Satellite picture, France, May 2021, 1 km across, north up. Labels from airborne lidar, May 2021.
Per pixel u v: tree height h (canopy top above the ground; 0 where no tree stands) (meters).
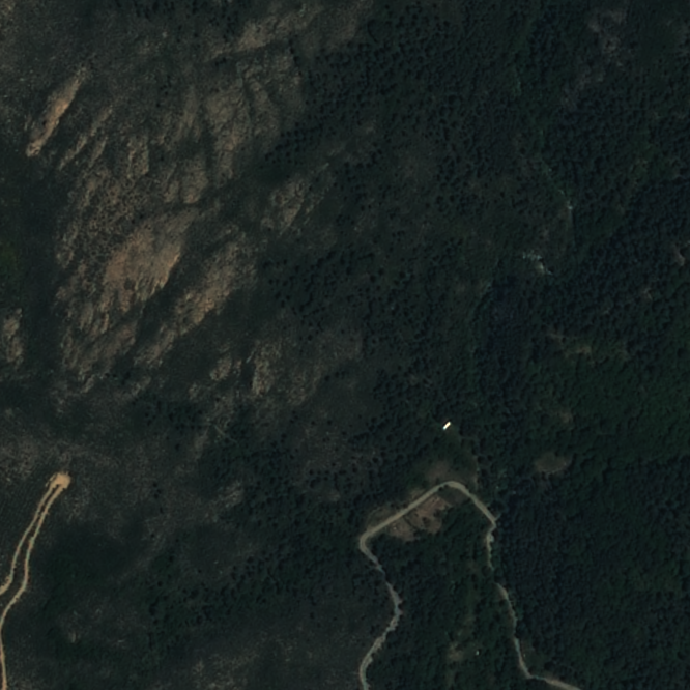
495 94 20
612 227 24
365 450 27
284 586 22
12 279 7
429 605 26
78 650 9
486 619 21
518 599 6
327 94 14
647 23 7
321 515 9
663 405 14
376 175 26
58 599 13
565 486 17
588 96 6
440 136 17
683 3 7
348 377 16
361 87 19
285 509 33
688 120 11
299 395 0
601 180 9
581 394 18
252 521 7
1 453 0
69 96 0
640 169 13
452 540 14
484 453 19
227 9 18
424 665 17
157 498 18
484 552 13
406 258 6
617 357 7
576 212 10
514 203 8
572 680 19
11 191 0
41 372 7
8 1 0
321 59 18
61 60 0
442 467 0
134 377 19
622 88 14
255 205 0
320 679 6
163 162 13
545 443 21
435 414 11
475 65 26
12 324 0
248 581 28
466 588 11
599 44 12
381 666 14
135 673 10
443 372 7
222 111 0
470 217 21
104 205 0
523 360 27
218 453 6
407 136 20
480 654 8
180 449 19
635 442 25
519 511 22
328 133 18
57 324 0
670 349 19
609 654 17
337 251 11
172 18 20
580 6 8
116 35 0
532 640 9
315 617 16
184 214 0
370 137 5
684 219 14
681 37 7
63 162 0
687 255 20
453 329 10
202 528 6
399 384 16
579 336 21
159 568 8
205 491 6
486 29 25
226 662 0
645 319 14
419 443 22
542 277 10
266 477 11
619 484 25
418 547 19
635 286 10
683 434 20
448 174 18
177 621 21
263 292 7
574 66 9
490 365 24
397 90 25
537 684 22
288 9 0
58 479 0
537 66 19
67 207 0
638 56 5
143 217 13
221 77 0
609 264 13
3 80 0
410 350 8
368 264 26
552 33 21
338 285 18
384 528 0
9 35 0
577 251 21
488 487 17
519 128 26
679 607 20
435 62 22
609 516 28
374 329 22
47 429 0
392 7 21
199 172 0
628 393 12
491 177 24
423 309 7
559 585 25
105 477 0
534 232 7
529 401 21
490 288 13
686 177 16
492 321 6
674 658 24
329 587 6
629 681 8
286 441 20
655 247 5
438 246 6
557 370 13
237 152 0
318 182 14
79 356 0
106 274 0
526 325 25
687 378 25
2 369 8
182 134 0
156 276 0
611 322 13
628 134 19
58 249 0
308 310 22
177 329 0
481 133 26
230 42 17
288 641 0
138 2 15
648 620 23
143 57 0
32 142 0
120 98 0
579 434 14
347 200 13
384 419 12
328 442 23
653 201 24
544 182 11
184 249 0
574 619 29
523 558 27
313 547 27
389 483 21
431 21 26
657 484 31
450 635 9
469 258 8
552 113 9
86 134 0
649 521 21
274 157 19
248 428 8
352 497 6
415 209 6
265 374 0
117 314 0
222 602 18
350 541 17
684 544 23
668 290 22
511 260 15
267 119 0
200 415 24
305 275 22
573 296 16
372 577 18
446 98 10
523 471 23
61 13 0
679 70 13
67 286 0
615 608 22
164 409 20
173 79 14
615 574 26
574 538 21
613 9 6
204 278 0
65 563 10
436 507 0
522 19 23
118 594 8
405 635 22
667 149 15
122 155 0
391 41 26
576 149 19
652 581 6
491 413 16
